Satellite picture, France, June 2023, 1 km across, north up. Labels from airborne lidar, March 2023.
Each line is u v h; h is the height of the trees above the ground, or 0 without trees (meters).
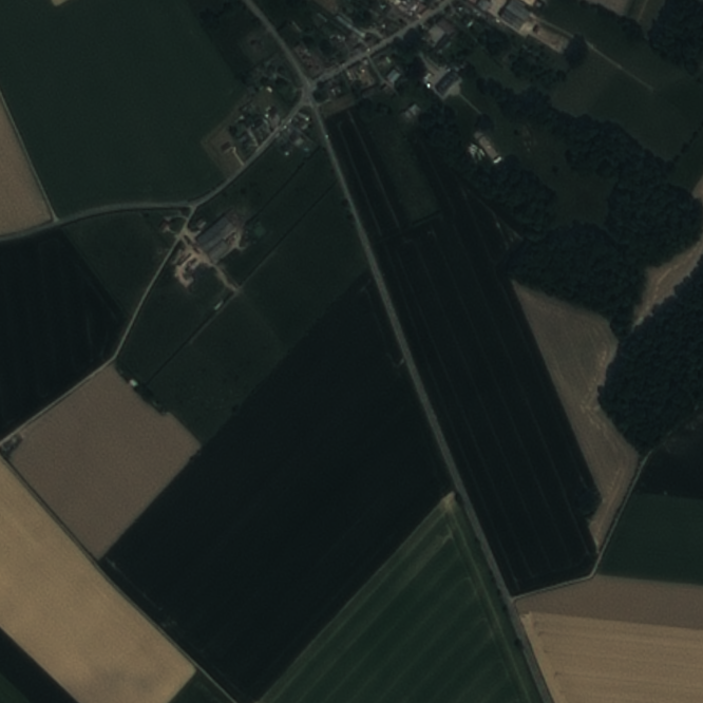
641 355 21
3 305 0
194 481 0
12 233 0
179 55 0
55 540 0
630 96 0
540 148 0
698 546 0
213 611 0
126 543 0
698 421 0
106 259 0
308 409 0
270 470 0
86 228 0
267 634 0
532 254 21
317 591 0
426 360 0
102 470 0
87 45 0
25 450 0
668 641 0
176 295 0
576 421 0
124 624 0
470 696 0
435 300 0
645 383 19
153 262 0
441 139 26
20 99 0
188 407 0
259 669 0
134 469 0
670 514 0
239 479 0
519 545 0
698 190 0
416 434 0
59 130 0
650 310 0
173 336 0
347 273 0
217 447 0
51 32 0
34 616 0
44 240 0
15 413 0
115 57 0
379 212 0
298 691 0
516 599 0
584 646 0
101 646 0
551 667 0
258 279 0
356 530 0
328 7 0
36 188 0
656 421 20
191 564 0
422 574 0
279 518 0
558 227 0
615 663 0
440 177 0
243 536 0
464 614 0
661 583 0
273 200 0
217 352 0
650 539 0
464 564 0
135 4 0
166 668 0
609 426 0
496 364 0
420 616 0
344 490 0
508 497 0
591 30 0
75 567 0
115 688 0
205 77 0
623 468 0
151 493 0
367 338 0
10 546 0
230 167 0
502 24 0
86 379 0
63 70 0
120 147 0
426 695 0
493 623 0
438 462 0
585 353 0
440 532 0
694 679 0
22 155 0
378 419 0
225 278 0
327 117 0
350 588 0
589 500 24
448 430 0
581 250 31
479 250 0
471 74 15
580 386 0
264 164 0
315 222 0
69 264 0
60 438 0
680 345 24
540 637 0
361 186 0
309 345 0
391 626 0
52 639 0
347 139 0
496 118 0
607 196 0
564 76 12
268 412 0
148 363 0
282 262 0
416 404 0
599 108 0
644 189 27
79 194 0
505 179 24
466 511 0
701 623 0
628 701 0
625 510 0
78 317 0
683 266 0
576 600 0
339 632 0
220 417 0
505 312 0
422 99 0
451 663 0
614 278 29
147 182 0
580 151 23
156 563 0
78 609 0
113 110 0
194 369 0
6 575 0
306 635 0
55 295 0
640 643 0
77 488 0
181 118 0
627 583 0
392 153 0
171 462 0
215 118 0
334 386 0
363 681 0
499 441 0
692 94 0
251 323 0
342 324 0
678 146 0
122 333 0
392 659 0
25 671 0
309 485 0
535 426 0
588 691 0
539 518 0
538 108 30
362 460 0
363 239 0
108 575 0
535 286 9
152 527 0
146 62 0
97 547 0
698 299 21
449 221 0
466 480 0
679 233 30
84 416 0
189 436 0
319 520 0
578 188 0
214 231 0
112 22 0
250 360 0
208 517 0
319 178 0
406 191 0
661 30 28
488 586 0
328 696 0
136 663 0
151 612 0
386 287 0
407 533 0
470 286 0
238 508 0
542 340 0
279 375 0
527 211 24
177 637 0
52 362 0
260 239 0
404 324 0
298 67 0
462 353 0
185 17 0
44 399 0
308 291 0
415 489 0
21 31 0
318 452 0
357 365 0
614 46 0
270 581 0
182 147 0
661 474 0
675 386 23
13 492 0
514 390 0
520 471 0
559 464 0
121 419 0
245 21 0
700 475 0
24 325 0
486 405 0
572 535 0
